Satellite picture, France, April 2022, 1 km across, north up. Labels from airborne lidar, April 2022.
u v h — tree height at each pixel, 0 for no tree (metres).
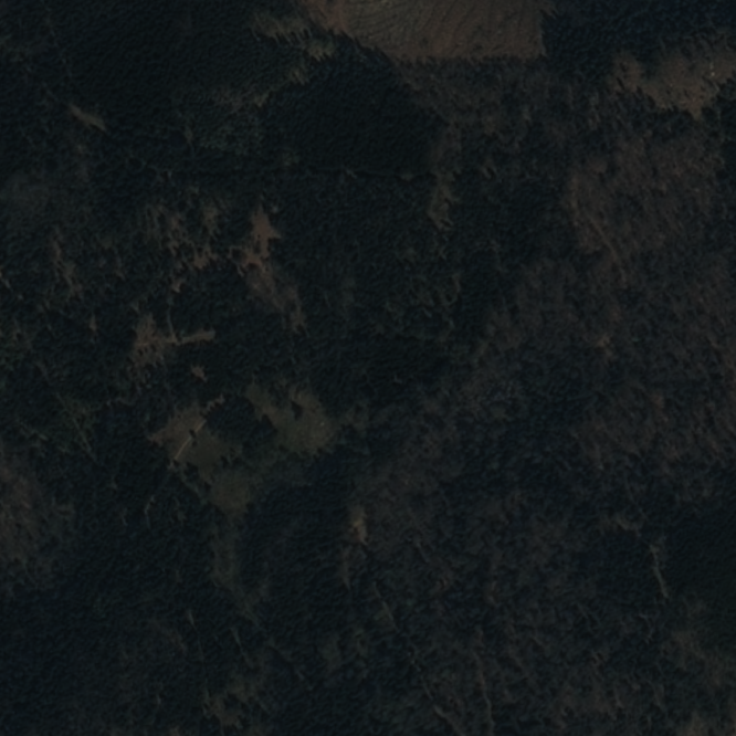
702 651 13
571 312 20
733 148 13
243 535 28
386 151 27
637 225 20
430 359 15
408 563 26
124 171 30
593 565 24
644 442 21
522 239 23
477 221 21
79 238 16
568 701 22
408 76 19
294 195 25
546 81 18
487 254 21
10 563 24
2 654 31
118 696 29
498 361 22
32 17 22
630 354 22
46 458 21
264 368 29
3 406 28
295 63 24
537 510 23
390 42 0
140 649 20
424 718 19
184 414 20
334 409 29
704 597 18
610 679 25
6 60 22
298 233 23
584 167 19
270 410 0
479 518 31
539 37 0
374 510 7
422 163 24
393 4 0
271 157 24
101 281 28
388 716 22
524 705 15
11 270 20
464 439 20
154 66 19
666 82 0
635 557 24
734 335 21
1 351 12
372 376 12
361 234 27
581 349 26
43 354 20
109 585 28
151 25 25
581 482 19
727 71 0
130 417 14
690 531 22
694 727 16
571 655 24
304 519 32
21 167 15
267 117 23
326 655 22
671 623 23
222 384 17
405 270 28
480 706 29
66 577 29
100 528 26
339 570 30
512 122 7
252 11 23
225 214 29
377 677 30
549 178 25
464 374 19
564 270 22
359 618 22
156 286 24
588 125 21
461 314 21
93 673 24
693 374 24
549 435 18
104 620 27
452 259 26
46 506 21
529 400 24
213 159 31
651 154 14
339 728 24
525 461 11
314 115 28
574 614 24
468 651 11
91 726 21
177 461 0
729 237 18
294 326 28
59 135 19
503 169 21
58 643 27
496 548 29
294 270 20
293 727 29
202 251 9
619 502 13
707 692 34
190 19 20
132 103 26
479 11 0
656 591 21
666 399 13
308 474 26
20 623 22
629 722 10
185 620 27
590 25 29
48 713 23
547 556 22
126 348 25
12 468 26
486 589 14
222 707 6
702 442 17
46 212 23
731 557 16
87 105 28
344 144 28
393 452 23
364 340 28
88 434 10
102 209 20
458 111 17
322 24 14
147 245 34
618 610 22
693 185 17
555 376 22
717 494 17
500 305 23
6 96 26
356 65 22
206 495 28
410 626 20
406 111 24
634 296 11
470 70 19
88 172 20
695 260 18
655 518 18
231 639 29
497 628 16
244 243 8
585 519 23
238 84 26
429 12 0
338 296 28
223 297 26
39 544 29
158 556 24
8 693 27
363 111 25
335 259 27
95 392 14
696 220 18
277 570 31
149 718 35
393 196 23
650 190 20
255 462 16
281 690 25
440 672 29
